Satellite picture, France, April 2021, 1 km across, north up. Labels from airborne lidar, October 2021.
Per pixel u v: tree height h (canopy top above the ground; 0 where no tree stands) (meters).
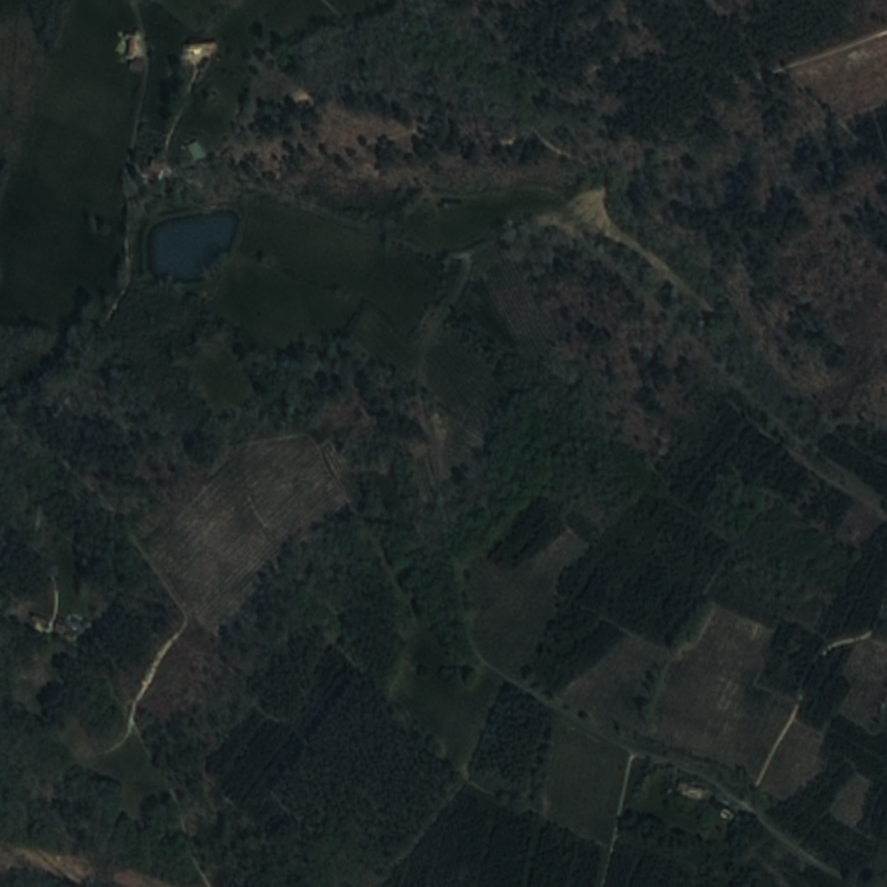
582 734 0
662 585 9
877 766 10
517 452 23
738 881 13
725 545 9
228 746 8
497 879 10
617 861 7
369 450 10
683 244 18
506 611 0
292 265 0
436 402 17
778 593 10
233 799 6
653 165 21
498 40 19
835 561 10
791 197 10
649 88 22
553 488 13
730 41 25
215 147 0
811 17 26
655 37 25
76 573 0
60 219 0
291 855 19
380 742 19
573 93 15
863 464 12
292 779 18
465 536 21
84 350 22
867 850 8
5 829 28
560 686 6
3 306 0
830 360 13
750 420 9
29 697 0
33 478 20
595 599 9
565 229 0
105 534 30
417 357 0
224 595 0
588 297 8
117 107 0
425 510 11
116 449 29
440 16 17
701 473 8
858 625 8
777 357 10
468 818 10
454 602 27
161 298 10
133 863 16
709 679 0
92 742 15
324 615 22
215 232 0
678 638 16
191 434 8
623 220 20
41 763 18
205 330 8
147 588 10
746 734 0
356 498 0
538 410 17
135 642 29
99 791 22
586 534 7
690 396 18
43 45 12
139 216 18
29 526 21
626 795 0
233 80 0
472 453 0
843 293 6
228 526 0
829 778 8
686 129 26
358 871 18
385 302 0
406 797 14
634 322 9
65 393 6
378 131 0
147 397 17
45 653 24
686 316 13
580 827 0
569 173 20
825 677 10
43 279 0
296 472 0
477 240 0
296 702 20
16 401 9
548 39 16
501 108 14
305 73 20
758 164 16
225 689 17
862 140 9
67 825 25
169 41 0
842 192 22
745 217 28
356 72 8
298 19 0
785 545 12
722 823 0
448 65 19
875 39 0
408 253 0
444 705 0
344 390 17
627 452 11
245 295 0
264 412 17
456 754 0
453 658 19
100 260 0
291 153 18
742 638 0
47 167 0
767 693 0
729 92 25
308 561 12
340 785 22
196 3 0
